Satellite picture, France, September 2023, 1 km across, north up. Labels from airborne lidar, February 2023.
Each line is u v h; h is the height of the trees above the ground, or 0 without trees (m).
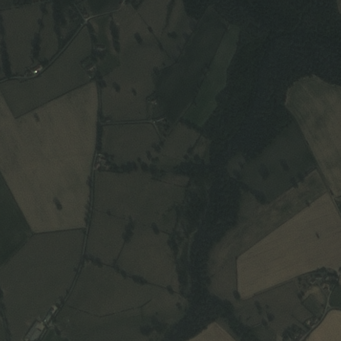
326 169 0
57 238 0
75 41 0
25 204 0
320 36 19
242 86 9
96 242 0
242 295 0
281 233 0
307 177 0
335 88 0
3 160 0
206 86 0
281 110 16
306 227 0
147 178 0
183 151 0
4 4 0
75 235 0
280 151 0
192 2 19
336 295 0
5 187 0
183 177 0
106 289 0
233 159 0
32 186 0
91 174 0
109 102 0
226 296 0
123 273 13
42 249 0
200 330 8
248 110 10
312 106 0
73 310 0
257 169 0
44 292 0
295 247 0
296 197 0
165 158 0
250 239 0
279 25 30
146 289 0
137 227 0
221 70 0
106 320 0
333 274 6
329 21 10
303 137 0
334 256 0
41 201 0
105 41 0
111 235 0
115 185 0
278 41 22
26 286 0
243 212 0
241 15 25
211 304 28
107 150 0
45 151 0
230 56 0
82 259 6
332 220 0
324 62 26
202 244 23
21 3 11
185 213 21
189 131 0
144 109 0
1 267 0
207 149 0
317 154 0
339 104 0
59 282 0
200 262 18
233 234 0
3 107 0
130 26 0
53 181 0
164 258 0
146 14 0
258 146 16
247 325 12
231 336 0
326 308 0
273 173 0
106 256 0
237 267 0
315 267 0
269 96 26
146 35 0
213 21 0
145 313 0
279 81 21
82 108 0
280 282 0
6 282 0
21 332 0
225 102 15
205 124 12
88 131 0
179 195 0
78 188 0
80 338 0
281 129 13
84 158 0
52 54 0
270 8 26
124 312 0
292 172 0
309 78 0
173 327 26
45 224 0
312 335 0
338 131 0
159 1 0
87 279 0
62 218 0
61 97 0
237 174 19
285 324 0
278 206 0
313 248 0
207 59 0
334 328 0
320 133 0
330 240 0
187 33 0
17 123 0
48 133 0
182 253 0
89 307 0
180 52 15
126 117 0
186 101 0
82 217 0
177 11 0
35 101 0
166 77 0
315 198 0
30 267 0
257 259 0
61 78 0
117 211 0
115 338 0
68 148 0
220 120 16
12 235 0
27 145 0
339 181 0
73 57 0
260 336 0
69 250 0
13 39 0
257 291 0
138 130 0
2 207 0
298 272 0
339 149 0
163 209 0
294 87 0
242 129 19
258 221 0
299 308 0
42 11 20
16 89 0
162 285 0
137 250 0
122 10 0
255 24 10
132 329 0
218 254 0
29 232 0
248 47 22
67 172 0
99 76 16
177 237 18
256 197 17
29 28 0
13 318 0
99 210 0
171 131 0
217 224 22
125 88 0
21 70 0
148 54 0
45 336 0
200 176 0
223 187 28
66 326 0
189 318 21
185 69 0
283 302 0
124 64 0
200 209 0
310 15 15
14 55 0
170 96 0
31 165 0
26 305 0
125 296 0
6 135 0
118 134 0
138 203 0
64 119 0
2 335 0
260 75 25
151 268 0
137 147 0
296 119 0
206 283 13
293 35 20
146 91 0
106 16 0
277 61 18
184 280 22
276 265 0
